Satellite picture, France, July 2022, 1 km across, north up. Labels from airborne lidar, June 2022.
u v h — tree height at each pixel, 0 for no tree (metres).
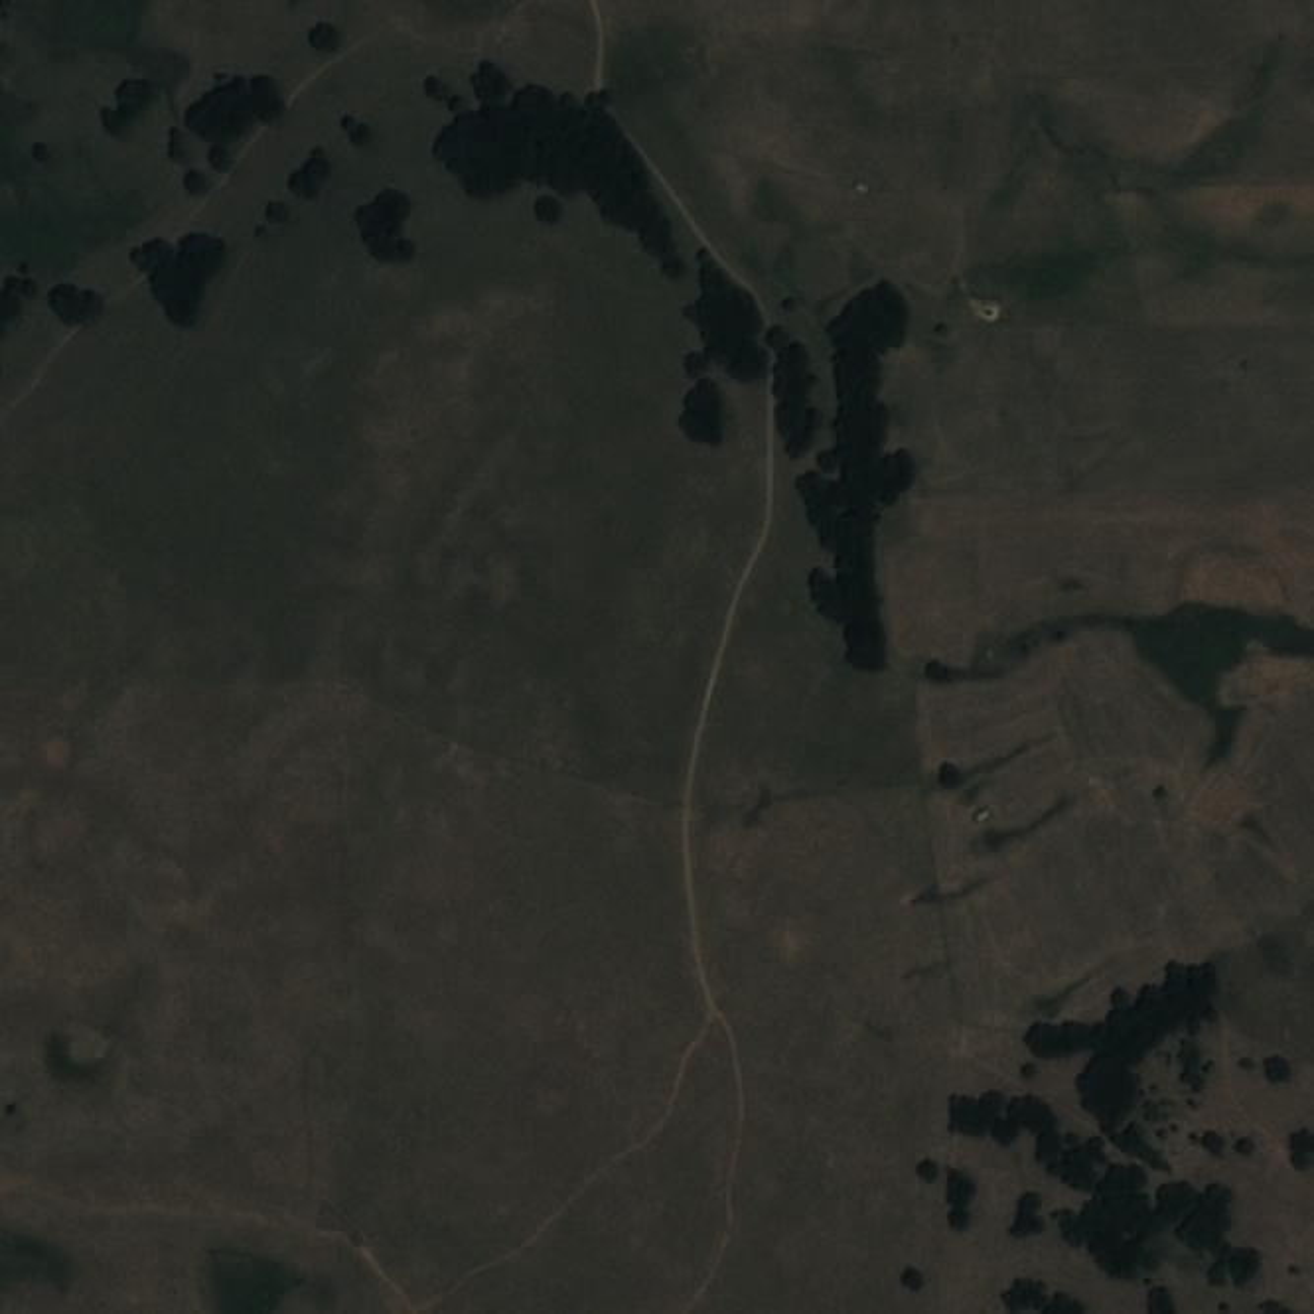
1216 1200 8
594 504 0
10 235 0
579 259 0
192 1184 0
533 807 0
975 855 0
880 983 0
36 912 0
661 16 0
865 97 0
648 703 0
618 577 0
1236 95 0
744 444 0
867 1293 0
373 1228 0
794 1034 0
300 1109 0
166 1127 0
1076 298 0
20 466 0
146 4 0
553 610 0
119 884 0
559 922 0
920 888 0
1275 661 0
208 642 0
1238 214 0
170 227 0
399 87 0
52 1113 0
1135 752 0
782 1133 0
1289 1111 0
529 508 0
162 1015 0
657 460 0
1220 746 0
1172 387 0
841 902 0
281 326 0
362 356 0
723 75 0
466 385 0
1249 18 0
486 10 0
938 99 0
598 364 0
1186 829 0
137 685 0
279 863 0
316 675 0
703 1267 0
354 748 0
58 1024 0
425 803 0
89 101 0
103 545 0
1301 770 0
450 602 0
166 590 0
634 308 0
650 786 0
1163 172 0
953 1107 8
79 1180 0
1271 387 0
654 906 0
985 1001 0
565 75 0
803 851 0
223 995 0
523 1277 0
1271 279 0
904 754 0
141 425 0
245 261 0
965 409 0
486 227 0
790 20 0
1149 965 0
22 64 0
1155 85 0
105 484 0
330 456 0
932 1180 7
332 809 0
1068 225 0
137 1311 0
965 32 0
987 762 0
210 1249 0
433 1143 0
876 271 0
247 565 0
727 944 0
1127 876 0
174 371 0
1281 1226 0
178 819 0
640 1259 0
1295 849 0
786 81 0
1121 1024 13
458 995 0
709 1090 0
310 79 0
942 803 0
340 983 0
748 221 0
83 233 0
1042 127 0
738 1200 0
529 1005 0
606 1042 0
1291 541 0
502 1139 0
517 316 0
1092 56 0
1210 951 0
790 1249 0
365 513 0
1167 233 0
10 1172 0
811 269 0
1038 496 0
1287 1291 0
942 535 0
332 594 0
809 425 8
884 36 0
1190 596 0
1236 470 0
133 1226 0
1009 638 0
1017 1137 8
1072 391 0
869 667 9
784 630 0
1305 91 0
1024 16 0
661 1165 0
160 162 0
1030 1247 0
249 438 0
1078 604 0
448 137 13
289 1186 0
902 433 0
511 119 14
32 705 0
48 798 0
